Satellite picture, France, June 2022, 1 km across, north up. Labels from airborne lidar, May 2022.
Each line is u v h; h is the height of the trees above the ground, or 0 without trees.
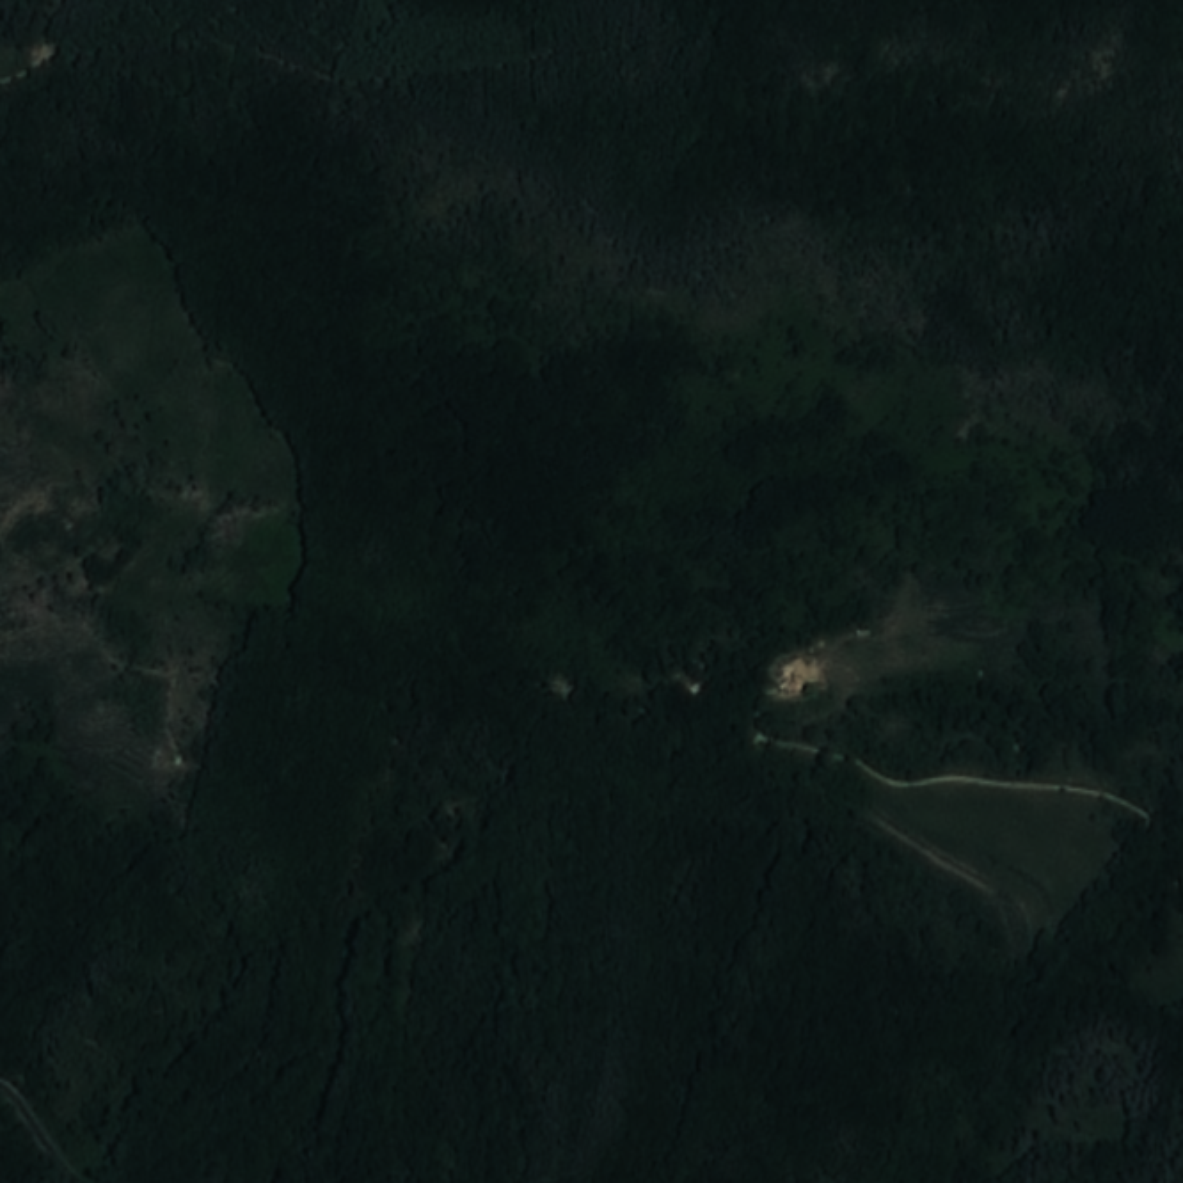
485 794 12
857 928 12
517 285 7
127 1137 20
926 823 0
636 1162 6
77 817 10
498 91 13
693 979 8
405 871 9
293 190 16
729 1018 22
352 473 26
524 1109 15
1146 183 19
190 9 12
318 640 29
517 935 22
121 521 6
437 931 10
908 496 7
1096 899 20
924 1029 19
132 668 9
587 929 16
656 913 8
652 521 10
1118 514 23
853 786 9
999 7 22
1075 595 6
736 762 25
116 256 0
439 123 12
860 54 11
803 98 13
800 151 21
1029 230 7
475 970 11
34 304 0
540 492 18
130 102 17
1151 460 12
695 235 13
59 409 0
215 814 17
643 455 16
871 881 15
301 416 26
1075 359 10
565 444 17
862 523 7
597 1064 12
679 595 21
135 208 19
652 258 12
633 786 20
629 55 15
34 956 15
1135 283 27
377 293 16
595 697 15
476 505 18
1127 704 24
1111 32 20
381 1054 19
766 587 8
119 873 12
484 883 13
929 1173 28
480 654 13
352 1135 21
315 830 24
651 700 11
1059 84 9
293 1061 13
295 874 19
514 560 21
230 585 0
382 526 34
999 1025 20
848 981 20
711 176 16
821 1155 21
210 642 0
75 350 10
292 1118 19
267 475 0
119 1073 9
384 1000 13
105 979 22
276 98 14
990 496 8
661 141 13
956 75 10
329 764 25
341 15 14
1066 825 0
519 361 18
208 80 12
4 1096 17
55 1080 9
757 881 9
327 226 16
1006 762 7
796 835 19
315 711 24
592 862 15
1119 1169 14
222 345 21
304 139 13
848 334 6
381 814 8
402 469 27
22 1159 12
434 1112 7
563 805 17
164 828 7
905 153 28
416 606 13
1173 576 10
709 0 15
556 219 6
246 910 14
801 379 6
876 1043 20
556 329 7
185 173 19
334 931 10
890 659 0
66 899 12
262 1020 13
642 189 14
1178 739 9
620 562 7
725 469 8
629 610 9
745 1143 20
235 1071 14
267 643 25
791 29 16
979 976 12
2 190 19
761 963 22
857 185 20
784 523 20
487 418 18
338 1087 21
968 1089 17
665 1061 8
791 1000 18
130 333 0
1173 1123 19
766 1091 13
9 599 0
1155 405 8
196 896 27
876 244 10
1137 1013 17
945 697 7
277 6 11
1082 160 28
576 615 7
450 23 21
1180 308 27
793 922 27
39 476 0
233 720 23
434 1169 14
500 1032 16
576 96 12
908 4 17
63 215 23
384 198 10
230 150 16
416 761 14
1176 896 14
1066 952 25
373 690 25
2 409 0
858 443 7
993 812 0
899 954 13
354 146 15
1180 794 16
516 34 20
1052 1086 12
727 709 18
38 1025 17
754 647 13
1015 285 6
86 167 15
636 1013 10
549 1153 12
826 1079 15
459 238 11
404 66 19
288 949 25
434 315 8
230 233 26
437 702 22
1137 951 17
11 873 9
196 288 18
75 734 0
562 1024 14
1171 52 22
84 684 0
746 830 21
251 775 19
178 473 0
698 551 12
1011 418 10
